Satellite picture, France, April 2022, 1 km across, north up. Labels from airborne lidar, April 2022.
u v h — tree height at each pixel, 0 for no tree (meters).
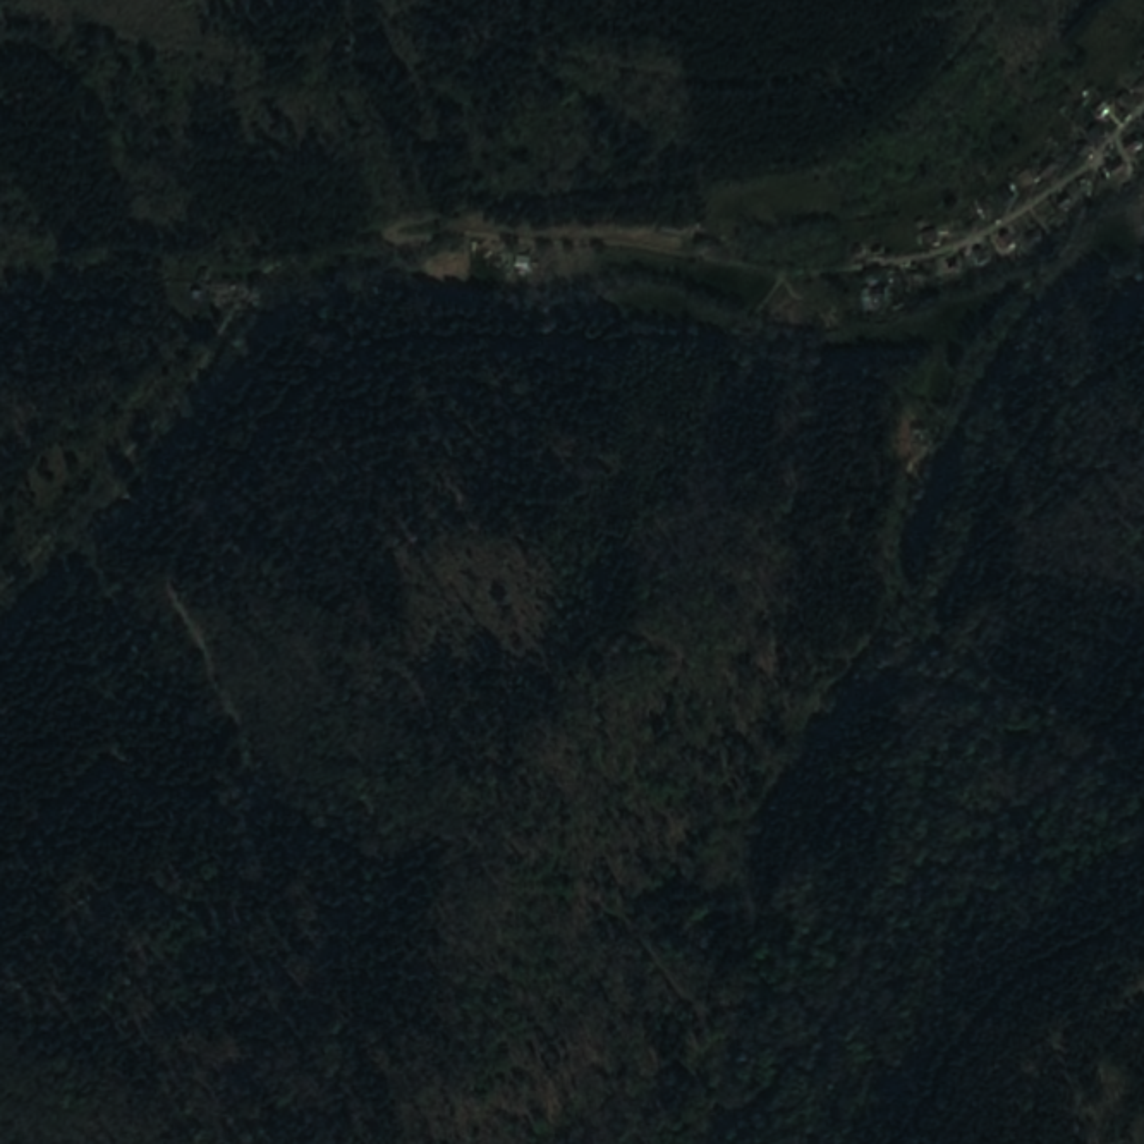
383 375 30
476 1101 20
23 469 12
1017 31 22
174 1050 18
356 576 19
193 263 11
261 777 20
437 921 27
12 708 30
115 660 34
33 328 26
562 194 16
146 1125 15
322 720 19
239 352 18
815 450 25
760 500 25
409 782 19
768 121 24
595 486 20
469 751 22
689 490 29
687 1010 23
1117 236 0
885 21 22
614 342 20
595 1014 25
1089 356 21
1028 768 26
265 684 16
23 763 31
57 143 33
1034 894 18
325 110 9
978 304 0
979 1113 24
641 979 24
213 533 21
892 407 22
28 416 20
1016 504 27
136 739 31
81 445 12
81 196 29
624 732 24
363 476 26
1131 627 34
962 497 31
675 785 21
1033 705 19
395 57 36
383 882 31
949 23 16
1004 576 32
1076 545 26
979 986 19
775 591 21
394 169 17
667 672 22
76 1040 8
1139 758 31
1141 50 0
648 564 33
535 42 30
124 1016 28
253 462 15
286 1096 32
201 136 30
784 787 8
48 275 13
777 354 26
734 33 26
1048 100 14
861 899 17
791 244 19
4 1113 22
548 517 25
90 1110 22
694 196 27
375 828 22
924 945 18
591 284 14
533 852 16
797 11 26
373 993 31
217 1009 31
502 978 6
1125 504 26
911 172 18
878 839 26
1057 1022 14
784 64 25
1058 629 29
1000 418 21
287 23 44
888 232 0
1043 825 27
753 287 0
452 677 22
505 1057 24
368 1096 36
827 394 23
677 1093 27
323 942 32
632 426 23
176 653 25
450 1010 19
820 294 0
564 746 21
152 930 23
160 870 34
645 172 20
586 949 25
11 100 11
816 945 23
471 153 29
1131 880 21
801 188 0
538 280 0
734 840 31
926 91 16
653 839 24
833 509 32
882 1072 18
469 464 36
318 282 21
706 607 28
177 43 8
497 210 23
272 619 22
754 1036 35
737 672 27
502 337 15
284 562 27
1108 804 23
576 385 17
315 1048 38
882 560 23
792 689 26
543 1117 33
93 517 15
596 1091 35
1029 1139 24
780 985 22
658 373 22
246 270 11
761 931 17
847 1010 21
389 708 17
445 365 25
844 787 24
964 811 28
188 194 19
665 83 17
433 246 7
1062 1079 24
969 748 25
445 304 36
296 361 33
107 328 19
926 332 0
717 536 30
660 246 0
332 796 22
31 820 15
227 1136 15
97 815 31
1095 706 32
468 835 24
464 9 8
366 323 27
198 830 36
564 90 23
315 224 30
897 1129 25
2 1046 24
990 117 15
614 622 37
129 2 19
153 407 12
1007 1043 24
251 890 38
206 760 41
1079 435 18
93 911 0
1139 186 14
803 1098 30
